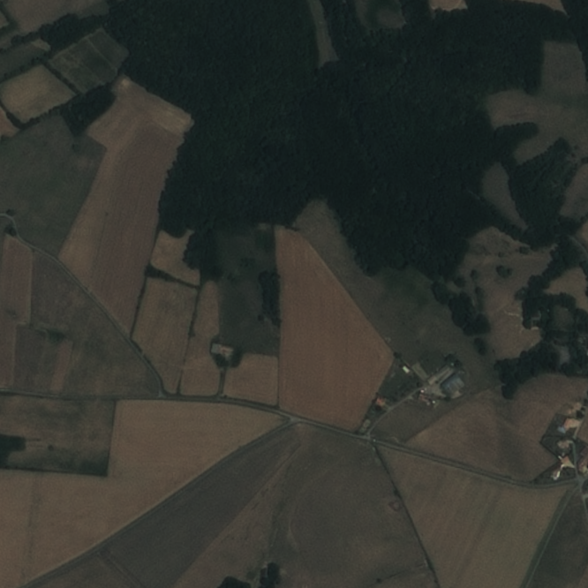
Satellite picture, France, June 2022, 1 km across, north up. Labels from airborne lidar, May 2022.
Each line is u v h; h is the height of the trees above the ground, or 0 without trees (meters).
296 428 0
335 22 10
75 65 0
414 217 19
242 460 0
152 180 0
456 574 0
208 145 16
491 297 0
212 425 0
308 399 0
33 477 0
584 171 0
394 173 24
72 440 0
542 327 12
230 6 17
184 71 15
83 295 0
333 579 0
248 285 0
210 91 17
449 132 20
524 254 13
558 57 0
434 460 0
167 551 0
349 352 0
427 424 0
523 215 12
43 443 0
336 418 0
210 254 16
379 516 0
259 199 17
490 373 0
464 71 16
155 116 0
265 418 0
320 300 0
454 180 26
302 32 16
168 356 0
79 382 0
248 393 0
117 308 0
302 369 0
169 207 17
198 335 0
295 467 0
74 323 0
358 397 0
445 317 0
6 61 0
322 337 0
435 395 0
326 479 0
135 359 0
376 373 0
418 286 0
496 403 0
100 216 0
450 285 0
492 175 0
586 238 0
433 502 0
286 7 17
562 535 0
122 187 0
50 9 0
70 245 0
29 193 0
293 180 24
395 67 20
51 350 0
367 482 0
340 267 0
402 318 0
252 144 25
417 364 0
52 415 0
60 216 0
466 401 0
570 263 14
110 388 0
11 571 0
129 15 12
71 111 14
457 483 0
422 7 11
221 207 19
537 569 0
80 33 16
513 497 0
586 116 0
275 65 11
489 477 0
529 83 20
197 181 14
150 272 10
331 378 0
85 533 0
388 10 0
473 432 0
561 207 8
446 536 0
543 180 12
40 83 0
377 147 22
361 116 27
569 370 19
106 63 0
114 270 0
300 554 0
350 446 0
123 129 0
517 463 0
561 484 0
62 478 0
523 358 9
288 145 16
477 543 0
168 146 0
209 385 0
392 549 0
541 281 19
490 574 0
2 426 0
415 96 17
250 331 0
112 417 0
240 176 19
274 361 0
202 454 0
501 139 17
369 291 0
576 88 0
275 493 0
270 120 17
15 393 0
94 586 0
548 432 0
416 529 0
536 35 16
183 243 0
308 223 0
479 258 0
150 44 16
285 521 0
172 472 0
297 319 0
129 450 0
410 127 23
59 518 0
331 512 0
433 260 18
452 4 0
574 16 18
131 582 0
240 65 15
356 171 18
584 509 0
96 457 0
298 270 0
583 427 0
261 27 14
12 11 0
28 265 0
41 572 0
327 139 18
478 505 0
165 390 0
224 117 12
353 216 19
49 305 0
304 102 24
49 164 0
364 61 18
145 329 0
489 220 22
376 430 0
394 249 23
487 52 17
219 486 0
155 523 0
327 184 17
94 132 0
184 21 16
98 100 20
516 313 0
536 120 0
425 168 15
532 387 0
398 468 0
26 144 0
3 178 0
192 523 0
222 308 0
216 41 15
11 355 0
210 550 0
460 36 17
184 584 0
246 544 0
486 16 14
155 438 0
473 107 19
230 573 0
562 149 11
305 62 18
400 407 0
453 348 0
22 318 0
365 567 0
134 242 0
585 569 0
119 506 0
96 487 0
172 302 0
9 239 0
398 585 0
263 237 0
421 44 12
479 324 17
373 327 0
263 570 6
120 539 0
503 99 0
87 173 0
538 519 0
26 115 0
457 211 30
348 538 0
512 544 0
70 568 0
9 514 0
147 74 13
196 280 0
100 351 0
